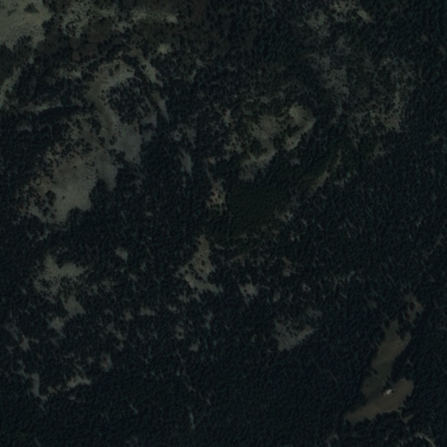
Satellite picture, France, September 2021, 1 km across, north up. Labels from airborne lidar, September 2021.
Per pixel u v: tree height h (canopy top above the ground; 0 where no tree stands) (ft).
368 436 81
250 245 45
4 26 0
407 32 72
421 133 57
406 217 53
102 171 0
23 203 38
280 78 38
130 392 57
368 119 29
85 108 37
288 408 67
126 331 85
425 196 70
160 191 38
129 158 0
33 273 33
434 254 30
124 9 27
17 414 51
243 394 65
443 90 72
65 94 21
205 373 73
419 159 38
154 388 55
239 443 74
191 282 0
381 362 0
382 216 65
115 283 20
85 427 49
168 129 49
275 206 39
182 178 54
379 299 26
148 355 21
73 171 0
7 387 51
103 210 21
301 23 42
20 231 74
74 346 46
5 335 83
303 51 47
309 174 47
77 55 0
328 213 74
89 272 23
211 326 52
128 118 46
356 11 25
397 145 52
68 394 52
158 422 24
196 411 46
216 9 39
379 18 70
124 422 36
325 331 68
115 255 20
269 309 72
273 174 36
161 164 49
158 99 0
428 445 75
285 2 28
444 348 64
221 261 37
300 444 52
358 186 72
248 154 20
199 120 45
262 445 60
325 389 41
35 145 43
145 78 49
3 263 67
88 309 38
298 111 0
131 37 23
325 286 90
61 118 31
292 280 34
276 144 44
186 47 45
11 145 38
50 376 34
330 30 29
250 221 42
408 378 48
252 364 22
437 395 71
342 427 61
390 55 25
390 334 0
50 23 22
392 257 72
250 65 41
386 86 54
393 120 0
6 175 37
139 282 46
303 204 27
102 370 21
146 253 31
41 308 30
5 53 21
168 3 0
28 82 30
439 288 63
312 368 36
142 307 25
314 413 42
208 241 38
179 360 72
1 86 0
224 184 21
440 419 57
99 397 18
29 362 46
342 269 37
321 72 22
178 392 54
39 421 48
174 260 42
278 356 62
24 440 75
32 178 32
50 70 36
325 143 34
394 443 60
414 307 41
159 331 21
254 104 25
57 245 31
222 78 39
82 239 46
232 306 40
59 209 0
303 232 34
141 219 53
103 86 0
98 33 0
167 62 31
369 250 70
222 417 32
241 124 38
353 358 42
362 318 66
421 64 48
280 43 78
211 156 28
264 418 59
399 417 42
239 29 47
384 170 70
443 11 64
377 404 0
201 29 32
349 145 50
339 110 0
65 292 30
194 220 49
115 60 25
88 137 0
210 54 39
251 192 46
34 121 41
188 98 42
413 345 46
